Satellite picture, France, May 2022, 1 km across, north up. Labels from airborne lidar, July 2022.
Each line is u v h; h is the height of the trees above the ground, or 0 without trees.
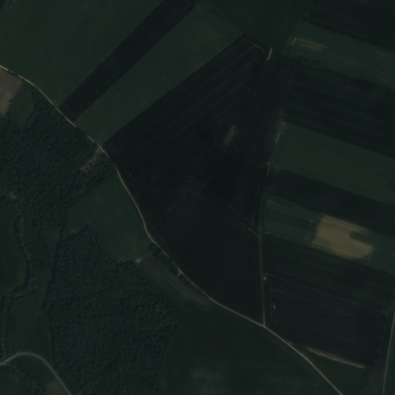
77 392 17
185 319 0
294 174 0
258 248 0
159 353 17
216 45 0
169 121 0
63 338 23
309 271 0
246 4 0
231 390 0
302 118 0
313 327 0
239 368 0
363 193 0
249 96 0
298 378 0
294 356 0
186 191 0
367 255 0
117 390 18
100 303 25
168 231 0
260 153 0
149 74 0
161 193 0
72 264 22
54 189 18
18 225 21
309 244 0
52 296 24
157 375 14
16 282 0
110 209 0
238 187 0
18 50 0
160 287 0
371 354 0
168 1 0
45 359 0
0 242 0
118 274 22
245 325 0
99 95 0
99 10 0
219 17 0
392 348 0
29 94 0
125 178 0
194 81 0
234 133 0
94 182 8
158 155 0
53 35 0
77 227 0
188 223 0
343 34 0
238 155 0
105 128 0
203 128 0
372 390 0
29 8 0
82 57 0
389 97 0
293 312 0
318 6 0
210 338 0
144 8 0
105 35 0
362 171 0
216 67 0
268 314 0
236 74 0
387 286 0
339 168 0
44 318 0
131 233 0
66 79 0
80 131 15
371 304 0
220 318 0
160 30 0
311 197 0
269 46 0
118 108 0
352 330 0
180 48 0
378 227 0
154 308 23
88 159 24
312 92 0
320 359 0
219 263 0
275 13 0
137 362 21
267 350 0
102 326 21
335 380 0
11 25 0
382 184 0
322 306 0
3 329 20
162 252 15
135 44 0
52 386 0
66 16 0
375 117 0
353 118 0
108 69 0
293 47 0
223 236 0
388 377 0
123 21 0
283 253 0
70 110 0
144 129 0
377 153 0
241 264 0
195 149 0
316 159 0
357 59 0
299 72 0
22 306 0
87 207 0
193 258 0
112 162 19
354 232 0
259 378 0
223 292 0
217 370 0
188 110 0
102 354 15
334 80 0
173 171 0
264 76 0
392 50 0
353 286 0
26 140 16
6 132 20
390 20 0
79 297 14
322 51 0
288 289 0
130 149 0
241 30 0
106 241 0
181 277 11
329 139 0
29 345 0
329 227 0
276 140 0
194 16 0
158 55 0
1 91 0
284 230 0
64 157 19
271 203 0
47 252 13
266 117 0
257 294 0
